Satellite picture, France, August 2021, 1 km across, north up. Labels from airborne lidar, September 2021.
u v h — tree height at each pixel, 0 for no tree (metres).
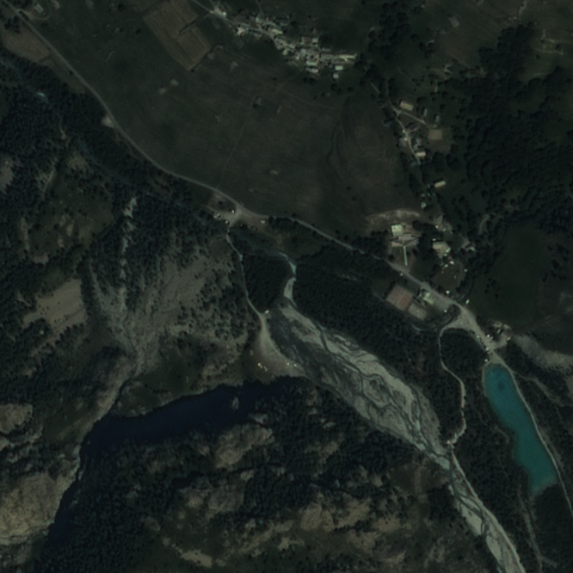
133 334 0
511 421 0
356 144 0
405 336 12
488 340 0
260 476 12
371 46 9
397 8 8
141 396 0
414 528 0
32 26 0
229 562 0
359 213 0
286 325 0
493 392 0
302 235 9
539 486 0
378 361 0
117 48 0
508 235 0
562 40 0
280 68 0
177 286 0
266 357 0
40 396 14
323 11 0
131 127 0
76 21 0
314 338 0
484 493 8
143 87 0
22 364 7
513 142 20
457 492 0
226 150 0
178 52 0
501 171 17
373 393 0
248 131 0
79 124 6
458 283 0
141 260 8
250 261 10
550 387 8
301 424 19
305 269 9
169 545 0
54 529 0
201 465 11
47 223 0
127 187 14
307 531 0
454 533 0
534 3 0
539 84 18
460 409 6
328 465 11
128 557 8
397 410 0
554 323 0
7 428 0
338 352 0
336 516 10
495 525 0
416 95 0
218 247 0
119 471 7
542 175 17
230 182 0
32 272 17
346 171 0
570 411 6
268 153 0
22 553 0
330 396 10
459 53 0
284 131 0
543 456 0
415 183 17
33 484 0
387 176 0
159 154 0
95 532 11
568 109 0
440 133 0
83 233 0
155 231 13
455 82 11
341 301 9
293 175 0
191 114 0
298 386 11
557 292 0
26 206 11
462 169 19
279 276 6
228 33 0
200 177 0
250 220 0
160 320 0
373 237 8
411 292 0
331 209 0
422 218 0
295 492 16
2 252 15
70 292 0
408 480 0
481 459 8
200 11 0
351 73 0
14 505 0
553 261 0
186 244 9
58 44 0
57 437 0
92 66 0
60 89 7
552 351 0
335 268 10
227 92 0
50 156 11
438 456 0
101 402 0
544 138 10
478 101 16
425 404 0
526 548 7
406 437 0
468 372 16
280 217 0
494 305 0
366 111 0
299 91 0
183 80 0
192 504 0
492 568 7
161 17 0
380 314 9
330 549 0
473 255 19
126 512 14
